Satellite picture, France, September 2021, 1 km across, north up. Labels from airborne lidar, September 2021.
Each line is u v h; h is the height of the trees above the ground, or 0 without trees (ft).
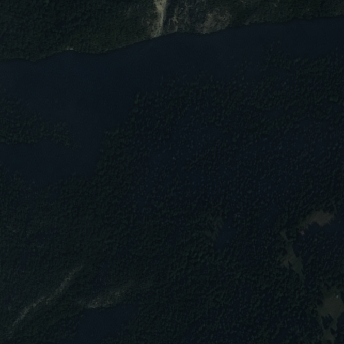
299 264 0
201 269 65
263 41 88
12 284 58
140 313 62
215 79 109
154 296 79
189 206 85
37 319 83
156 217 85
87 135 62
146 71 74
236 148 77
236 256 84
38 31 86
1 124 76
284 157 98
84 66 77
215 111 104
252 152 63
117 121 71
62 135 45
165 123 96
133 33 61
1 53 56
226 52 82
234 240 93
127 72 39
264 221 75
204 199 91
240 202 73
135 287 50
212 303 62
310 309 52
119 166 93
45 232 67
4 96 69
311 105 68
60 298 45
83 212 73
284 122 78
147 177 63
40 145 72
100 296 40
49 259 46
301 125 71
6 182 69
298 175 64
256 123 89
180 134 106
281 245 75
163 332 60
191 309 65
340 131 79
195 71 84
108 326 88
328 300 0
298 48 112
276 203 79
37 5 88
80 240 73
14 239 84
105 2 80
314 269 63
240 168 77
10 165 75
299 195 89
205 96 78
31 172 74
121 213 61
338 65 70
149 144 75
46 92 73
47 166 54
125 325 47
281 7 68
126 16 31
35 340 86
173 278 83
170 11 48
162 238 79
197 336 67
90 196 66
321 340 26
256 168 87
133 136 91
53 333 43
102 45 40
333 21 26
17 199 64
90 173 77
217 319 84
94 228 83
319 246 30
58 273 54
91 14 65
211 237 0
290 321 58
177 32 29
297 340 81
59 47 64
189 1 52
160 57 69
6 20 79
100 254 73
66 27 85
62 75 90
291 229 74
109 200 71
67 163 74
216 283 41
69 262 62
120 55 50
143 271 73
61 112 92
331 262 68
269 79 87
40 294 31
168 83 81
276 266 48
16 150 97
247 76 99
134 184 73
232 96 111
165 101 76
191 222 83
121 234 91
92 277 64
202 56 80
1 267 45
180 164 64
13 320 38
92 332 59
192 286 87
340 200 73
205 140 92
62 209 64
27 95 80
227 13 25
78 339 50
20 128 78
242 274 47
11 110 77
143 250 101
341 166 96
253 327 76
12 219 56
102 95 79
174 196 83
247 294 59
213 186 92
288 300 57
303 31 80
